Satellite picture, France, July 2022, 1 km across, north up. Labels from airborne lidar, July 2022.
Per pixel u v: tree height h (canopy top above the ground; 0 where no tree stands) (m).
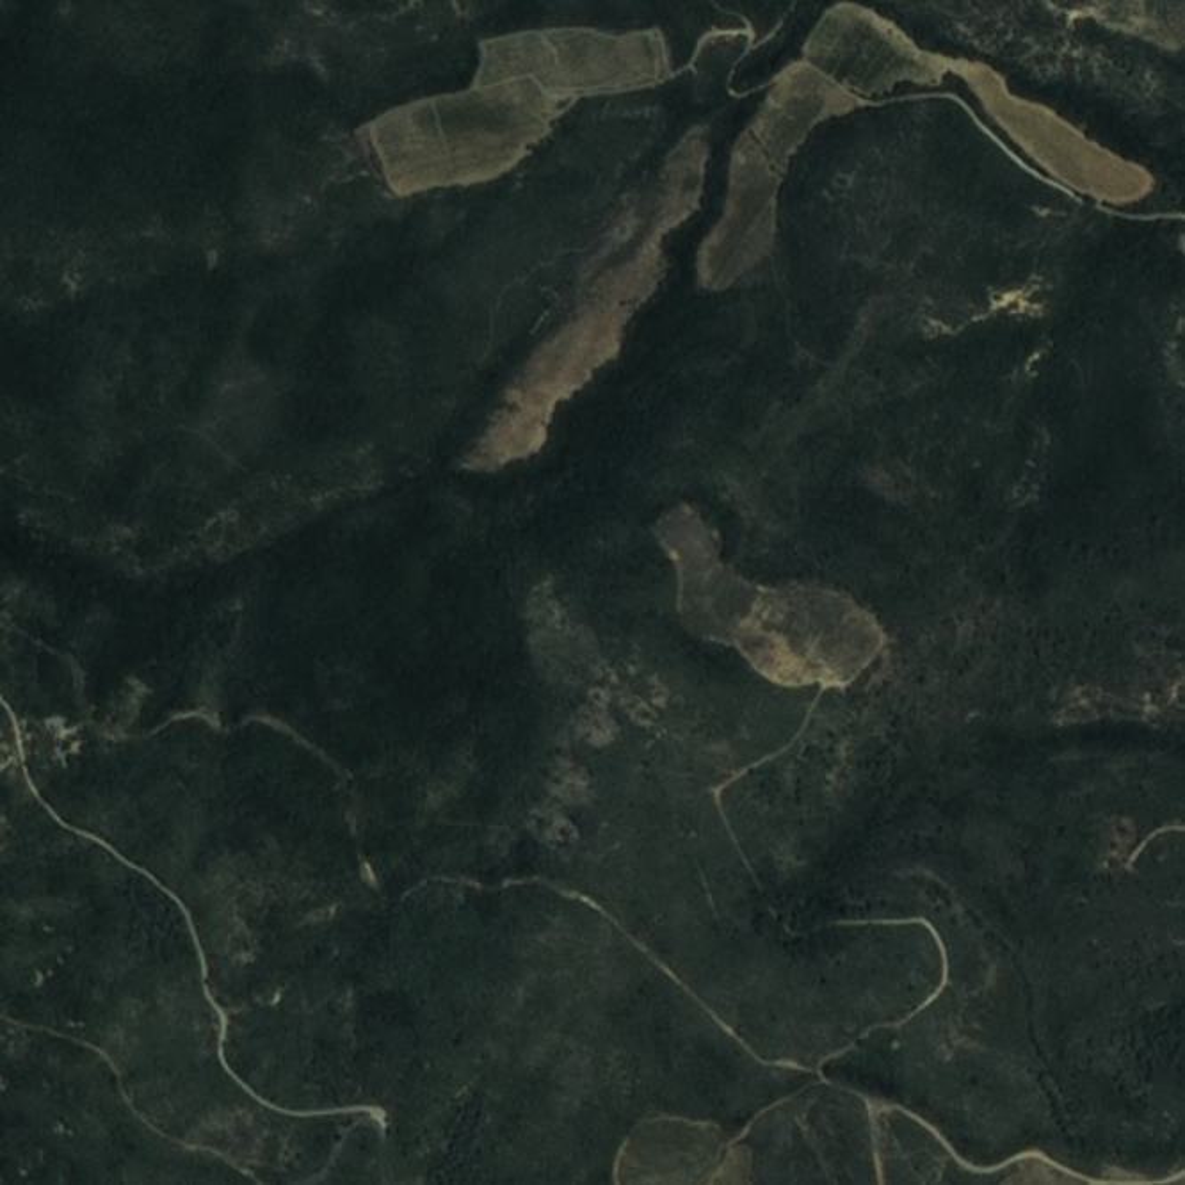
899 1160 0
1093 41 5
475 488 11
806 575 6
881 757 13
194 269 6
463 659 8
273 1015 5
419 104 0
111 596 14
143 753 5
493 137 0
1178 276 7
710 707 0
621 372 7
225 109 9
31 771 6
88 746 6
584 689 0
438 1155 7
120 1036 0
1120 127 12
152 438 7
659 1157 0
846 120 7
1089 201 11
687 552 0
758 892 9
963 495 5
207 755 6
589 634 0
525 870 6
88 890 6
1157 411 0
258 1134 0
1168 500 7
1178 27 0
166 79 8
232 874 0
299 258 7
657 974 0
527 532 7
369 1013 6
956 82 9
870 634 0
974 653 8
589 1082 0
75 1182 7
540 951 0
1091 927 0
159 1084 0
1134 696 0
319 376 7
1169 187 15
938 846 9
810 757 9
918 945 0
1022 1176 0
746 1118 6
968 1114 0
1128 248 11
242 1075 6
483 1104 8
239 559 8
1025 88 13
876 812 6
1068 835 10
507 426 0
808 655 0
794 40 5
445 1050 0
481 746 9
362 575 7
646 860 0
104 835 6
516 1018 0
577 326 0
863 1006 0
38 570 6
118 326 6
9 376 6
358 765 6
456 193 6
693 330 7
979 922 9
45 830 6
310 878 6
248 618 6
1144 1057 11
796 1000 0
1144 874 0
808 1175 0
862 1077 7
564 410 12
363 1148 6
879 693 9
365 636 6
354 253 6
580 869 0
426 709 6
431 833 6
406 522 7
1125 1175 0
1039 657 10
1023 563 7
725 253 0
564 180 5
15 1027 0
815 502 6
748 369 6
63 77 8
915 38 8
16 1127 6
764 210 0
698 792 0
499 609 7
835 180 0
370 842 7
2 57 7
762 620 0
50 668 6
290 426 6
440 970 6
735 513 7
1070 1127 9
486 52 0
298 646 6
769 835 0
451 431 6
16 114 7
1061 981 0
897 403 6
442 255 6
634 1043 0
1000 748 6
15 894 5
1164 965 8
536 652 0
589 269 0
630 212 0
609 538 6
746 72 6
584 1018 0
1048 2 0
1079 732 7
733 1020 0
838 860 7
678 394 7
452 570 11
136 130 5
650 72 0
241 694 6
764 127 0
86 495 7
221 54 6
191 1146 0
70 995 6
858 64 0
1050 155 0
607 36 0
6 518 7
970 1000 0
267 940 9
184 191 7
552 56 0
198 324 6
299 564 6
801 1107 0
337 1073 6
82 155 7
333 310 6
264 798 6
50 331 7
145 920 7
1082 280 8
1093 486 5
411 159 0
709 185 16
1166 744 7
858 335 0
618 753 0
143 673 7
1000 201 6
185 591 10
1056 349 8
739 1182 0
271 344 6
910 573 8
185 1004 0
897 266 0
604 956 0
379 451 6
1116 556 7
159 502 8
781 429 0
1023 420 8
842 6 0
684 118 6
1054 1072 8
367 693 9
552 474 6
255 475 5
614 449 7
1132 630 9
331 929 6
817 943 9
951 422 5
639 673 0
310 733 6
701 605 0
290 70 6
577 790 0
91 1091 0
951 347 6
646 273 0
